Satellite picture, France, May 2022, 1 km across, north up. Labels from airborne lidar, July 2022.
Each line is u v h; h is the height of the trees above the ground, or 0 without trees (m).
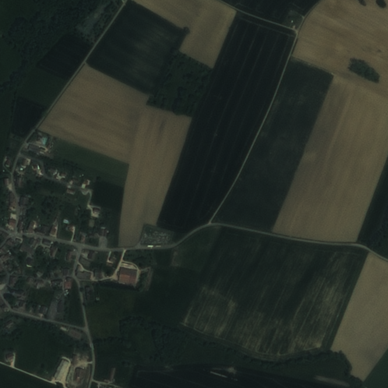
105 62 0
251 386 0
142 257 9
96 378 0
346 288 0
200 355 0
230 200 0
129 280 0
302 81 0
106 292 0
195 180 0
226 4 0
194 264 0
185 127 0
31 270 0
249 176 0
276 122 0
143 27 0
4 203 8
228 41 0
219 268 0
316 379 0
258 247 0
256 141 0
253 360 11
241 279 0
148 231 0
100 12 0
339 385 0
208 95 0
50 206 14
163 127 0
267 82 0
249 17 0
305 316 0
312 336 0
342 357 26
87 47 0
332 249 0
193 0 0
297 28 0
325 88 0
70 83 0
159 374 0
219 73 0
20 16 0
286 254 0
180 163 0
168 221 0
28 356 0
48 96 0
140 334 0
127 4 0
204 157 0
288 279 0
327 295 0
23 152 0
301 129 0
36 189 17
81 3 25
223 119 0
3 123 0
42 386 0
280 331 0
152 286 0
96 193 0
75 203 0
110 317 0
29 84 0
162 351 21
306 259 0
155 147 0
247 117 0
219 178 0
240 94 0
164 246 0
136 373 0
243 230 0
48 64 0
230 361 0
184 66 13
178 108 19
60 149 0
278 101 0
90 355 0
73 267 0
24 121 0
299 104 0
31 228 0
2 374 0
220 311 0
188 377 0
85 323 0
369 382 0
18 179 0
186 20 0
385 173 0
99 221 6
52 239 0
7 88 20
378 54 0
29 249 0
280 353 0
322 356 16
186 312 0
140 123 0
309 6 0
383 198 0
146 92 0
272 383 0
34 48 18
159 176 0
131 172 0
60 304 0
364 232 0
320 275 0
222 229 0
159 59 0
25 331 0
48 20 7
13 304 16
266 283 0
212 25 0
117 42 0
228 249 0
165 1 0
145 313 0
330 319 0
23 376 0
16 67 0
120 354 0
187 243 0
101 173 0
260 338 0
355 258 0
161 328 16
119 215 0
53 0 23
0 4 0
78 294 0
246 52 0
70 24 23
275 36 0
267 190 0
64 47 0
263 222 0
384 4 16
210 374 0
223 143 0
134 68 0
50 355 0
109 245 0
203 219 0
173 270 0
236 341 0
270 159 0
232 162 0
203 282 0
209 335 0
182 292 0
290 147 0
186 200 0
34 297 0
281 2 0
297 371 0
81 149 0
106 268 0
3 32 0
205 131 0
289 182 0
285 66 0
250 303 0
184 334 8
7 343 0
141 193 0
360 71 24
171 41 0
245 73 0
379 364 0
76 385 0
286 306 0
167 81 19
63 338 21
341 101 0
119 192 0
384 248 0
